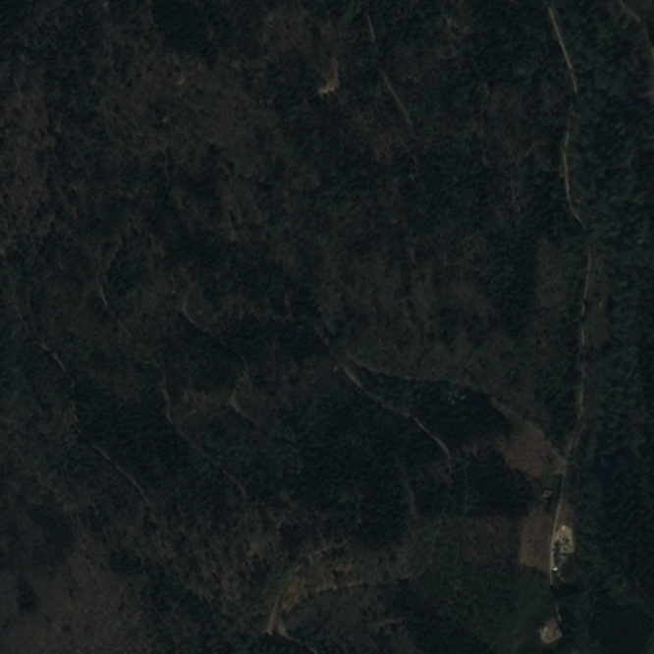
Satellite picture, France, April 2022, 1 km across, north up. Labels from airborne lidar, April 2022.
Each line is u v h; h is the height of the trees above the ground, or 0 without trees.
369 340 24
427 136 30
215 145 12
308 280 33
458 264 30
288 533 34
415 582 19
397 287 28
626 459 13
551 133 23
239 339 22
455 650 29
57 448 21
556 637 0
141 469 31
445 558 22
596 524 27
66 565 11
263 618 17
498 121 28
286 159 26
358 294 24
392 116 26
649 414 10
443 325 29
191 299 18
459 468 22
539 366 26
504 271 36
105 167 24
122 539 24
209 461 18
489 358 19
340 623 18
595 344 0
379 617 13
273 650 25
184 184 30
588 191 27
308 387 25
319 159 30
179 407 24
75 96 16
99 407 27
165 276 27
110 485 20
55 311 24
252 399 25
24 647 11
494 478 26
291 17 19
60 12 28
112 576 18
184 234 27
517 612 19
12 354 27
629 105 18
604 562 13
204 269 23
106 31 27
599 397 32
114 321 26
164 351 23
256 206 22
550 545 0
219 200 23
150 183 24
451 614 13
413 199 26
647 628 24
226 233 22
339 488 22
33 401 16
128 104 33
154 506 21
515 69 29
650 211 18
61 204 20
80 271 22
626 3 15
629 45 21
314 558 13
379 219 28
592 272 0
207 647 24
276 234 27
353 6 26
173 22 25
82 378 20
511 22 24
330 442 24
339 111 30
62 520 15
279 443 27
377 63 21
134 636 17
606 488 22
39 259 22
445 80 30
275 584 9
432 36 32
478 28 27
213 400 25
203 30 22
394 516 41
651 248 26
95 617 14
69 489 18
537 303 29
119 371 25
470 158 29
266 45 18
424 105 29
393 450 24
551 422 17
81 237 22
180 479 23
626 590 17
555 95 20
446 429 28
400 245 29
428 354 30
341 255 27
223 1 21
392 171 23
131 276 22
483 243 30
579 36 22
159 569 24
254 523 23
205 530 20
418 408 24
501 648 22
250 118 26
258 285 25
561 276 31
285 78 21
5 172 9
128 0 36
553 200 38
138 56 25
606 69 28
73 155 24
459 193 21
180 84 32
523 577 25
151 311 28
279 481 23
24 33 25
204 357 24
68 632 16
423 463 22
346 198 29
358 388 14
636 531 40
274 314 24
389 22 24
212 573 26
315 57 23
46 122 10
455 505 19
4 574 14
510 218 30
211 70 25
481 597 19
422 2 29
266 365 18
